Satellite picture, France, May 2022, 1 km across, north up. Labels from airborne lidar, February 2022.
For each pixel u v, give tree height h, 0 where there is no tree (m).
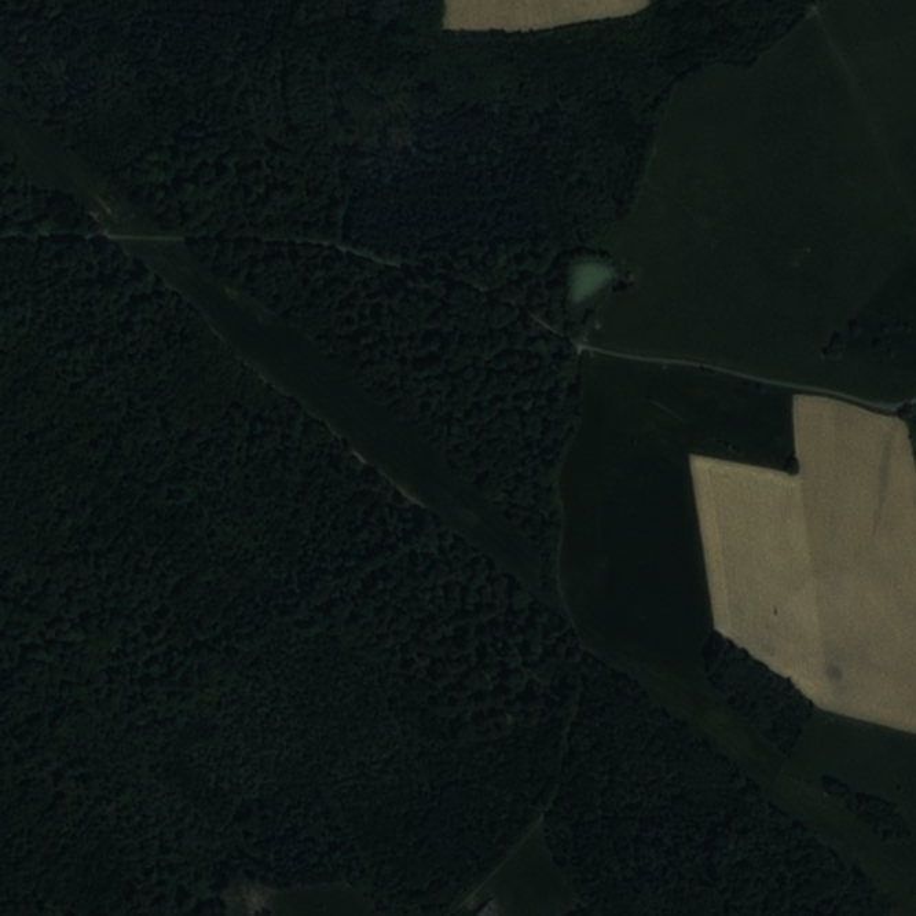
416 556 20
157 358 19
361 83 28
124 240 0
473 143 25
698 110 0
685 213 0
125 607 30
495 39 15
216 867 10
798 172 0
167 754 28
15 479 20
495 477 27
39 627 29
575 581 0
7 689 27
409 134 0
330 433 14
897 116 0
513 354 32
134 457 15
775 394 0
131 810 11
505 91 16
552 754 5
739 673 20
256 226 30
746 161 0
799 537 0
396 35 29
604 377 0
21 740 30
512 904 0
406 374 29
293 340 0
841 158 0
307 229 19
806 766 0
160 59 24
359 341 25
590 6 0
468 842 18
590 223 27
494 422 28
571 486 0
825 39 0
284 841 17
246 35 22
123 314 31
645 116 10
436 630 28
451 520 0
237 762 9
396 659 12
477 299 26
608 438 0
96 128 18
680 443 0
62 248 16
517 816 10
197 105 13
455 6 0
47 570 19
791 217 0
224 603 12
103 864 14
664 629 0
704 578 0
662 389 0
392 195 22
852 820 0
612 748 14
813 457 0
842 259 0
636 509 0
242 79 28
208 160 16
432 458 0
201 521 11
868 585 0
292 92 16
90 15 19
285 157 28
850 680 0
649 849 25
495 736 17
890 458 0
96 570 29
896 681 0
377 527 13
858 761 0
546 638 32
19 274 15
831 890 27
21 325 23
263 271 30
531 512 19
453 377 31
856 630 0
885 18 0
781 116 0
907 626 0
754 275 0
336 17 26
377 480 29
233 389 18
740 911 26
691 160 0
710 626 0
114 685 29
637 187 14
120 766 8
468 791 17
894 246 0
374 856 12
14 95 16
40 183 0
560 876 0
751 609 0
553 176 19
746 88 0
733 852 26
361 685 12
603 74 7
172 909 29
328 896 0
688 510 0
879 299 0
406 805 8
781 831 19
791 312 0
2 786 15
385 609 31
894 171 0
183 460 11
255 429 25
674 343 0
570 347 17
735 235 0
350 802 8
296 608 24
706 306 0
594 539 0
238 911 0
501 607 17
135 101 17
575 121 17
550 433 27
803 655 0
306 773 8
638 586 0
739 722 0
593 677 11
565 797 14
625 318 0
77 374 26
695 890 12
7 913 13
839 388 0
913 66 0
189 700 25
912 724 0
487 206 25
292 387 0
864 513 0
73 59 23
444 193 21
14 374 20
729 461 0
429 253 26
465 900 0
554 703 29
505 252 28
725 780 17
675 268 0
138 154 16
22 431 20
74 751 12
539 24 0
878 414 0
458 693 29
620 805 6
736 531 0
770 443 0
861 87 0
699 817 10
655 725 11
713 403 0
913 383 0
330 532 10
